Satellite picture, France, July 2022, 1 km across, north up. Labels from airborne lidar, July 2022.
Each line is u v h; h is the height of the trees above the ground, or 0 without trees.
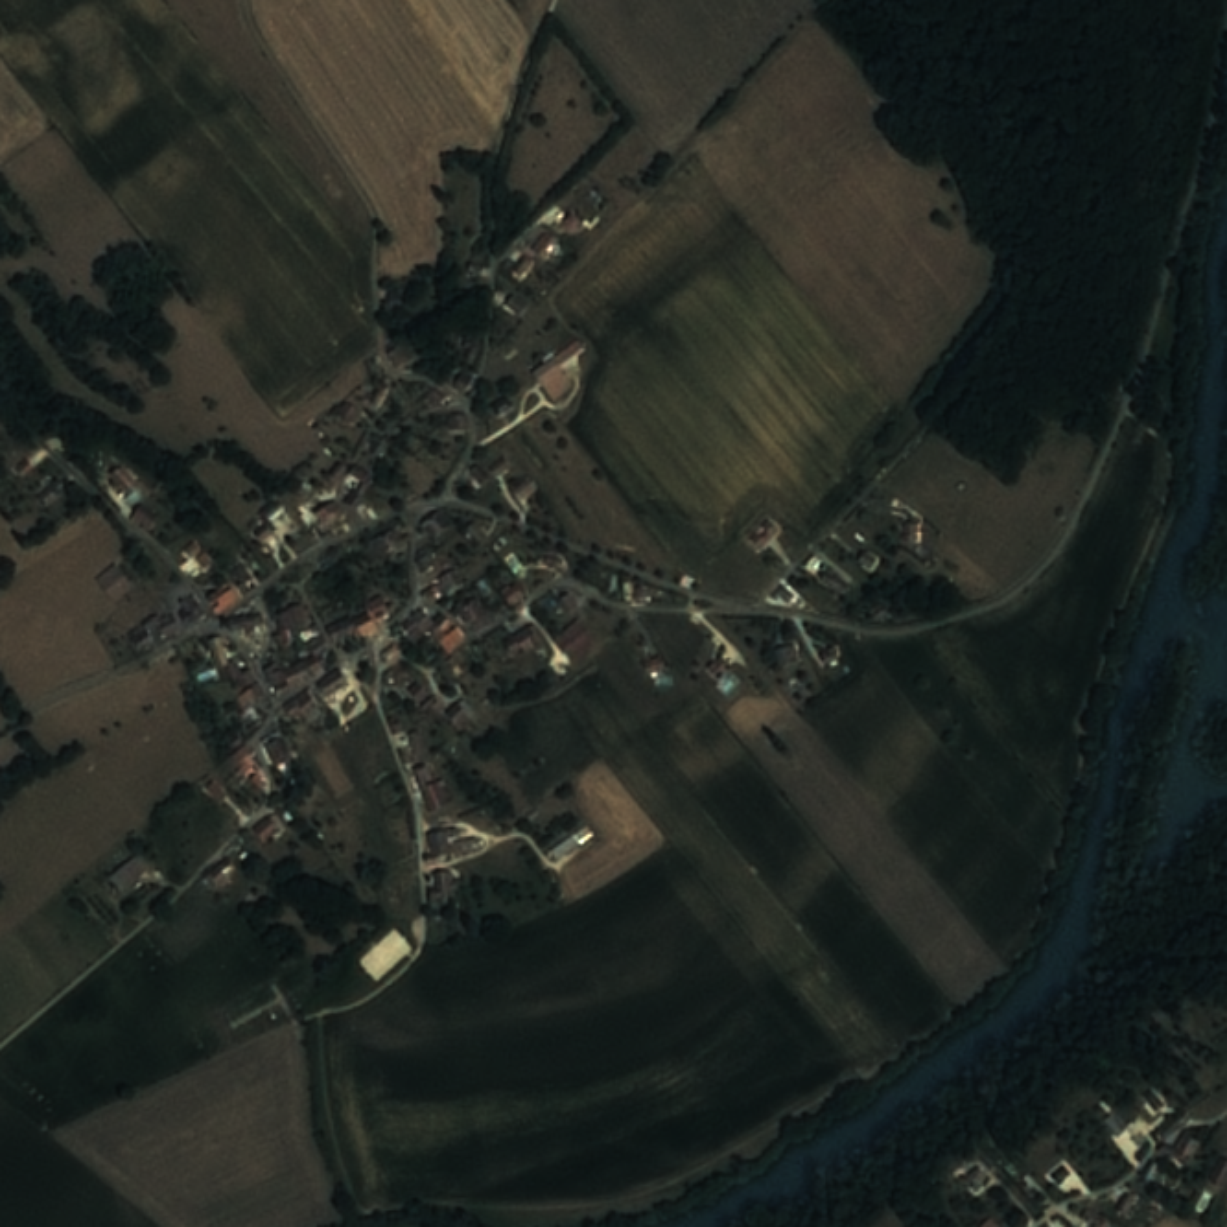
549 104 0
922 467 0
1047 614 0
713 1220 0
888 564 8
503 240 13
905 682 0
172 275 9
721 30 0
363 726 0
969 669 0
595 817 0
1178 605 0
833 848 0
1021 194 29
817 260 0
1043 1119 22
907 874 0
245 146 0
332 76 0
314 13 0
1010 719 0
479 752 13
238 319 0
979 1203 8
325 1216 0
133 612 0
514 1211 0
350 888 9
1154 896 21
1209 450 0
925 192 0
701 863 0
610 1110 0
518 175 0
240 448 6
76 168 0
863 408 0
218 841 0
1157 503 0
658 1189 0
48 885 0
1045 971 0
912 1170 28
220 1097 0
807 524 0
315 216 0
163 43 0
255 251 0
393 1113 0
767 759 0
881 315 0
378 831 0
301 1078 0
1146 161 20
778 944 0
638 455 0
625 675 0
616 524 0
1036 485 0
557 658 0
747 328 0
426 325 20
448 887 0
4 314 17
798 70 0
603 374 0
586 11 0
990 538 0
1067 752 0
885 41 13
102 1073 0
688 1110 0
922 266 0
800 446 0
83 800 0
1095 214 27
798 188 0
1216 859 15
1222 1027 6
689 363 0
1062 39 29
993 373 24
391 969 0
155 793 0
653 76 0
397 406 6
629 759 0
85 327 8
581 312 0
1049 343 25
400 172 0
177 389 0
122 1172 0
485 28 0
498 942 14
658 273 0
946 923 0
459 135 0
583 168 10
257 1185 0
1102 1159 6
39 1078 0
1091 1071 21
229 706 7
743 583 0
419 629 0
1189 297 13
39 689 0
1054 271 28
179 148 0
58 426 22
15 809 0
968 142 34
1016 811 0
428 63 0
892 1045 0
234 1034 0
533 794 0
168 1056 0
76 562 0
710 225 0
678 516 0
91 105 0
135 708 0
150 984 0
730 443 0
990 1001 15
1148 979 32
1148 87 25
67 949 0
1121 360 26
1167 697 24
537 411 0
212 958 0
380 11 0
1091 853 0
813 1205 25
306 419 0
